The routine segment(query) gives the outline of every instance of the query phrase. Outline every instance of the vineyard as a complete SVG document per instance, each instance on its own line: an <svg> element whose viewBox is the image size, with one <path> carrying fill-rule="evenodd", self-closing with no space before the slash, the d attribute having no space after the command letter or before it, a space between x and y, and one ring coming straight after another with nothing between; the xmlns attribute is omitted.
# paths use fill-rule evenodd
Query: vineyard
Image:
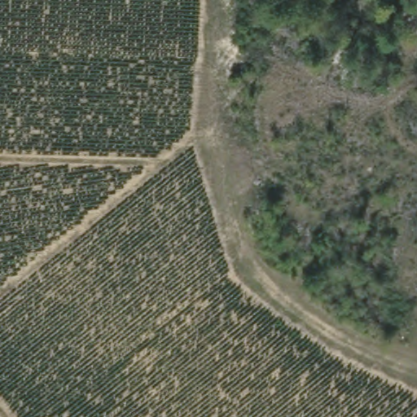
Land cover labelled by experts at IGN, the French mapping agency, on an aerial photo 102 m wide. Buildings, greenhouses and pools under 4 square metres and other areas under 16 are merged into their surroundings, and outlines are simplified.
<svg viewBox="0 0 417 417"><path fill-rule="evenodd" d="M65 155L77 155L80 151L88 151L90 155L117 153L129 156L156 156L163 150L169 150L174 142L178 142L182 135L186 134L191 121L194 78L192 65L197 59L199 0L0 0L0 150L21 153L34 150L44 155L62 151Z"/></svg>
<svg viewBox="0 0 417 417"><path fill-rule="evenodd" d="M266 308L252 305L251 298L248 298L246 305L241 303L241 288L228 279L228 267L213 223L212 208L208 204L204 184L200 179L199 166L195 163L194 150L191 147L179 151L168 165L158 169L150 179L143 182L142 186L127 195L116 207L111 208L98 222L94 222L85 233L75 236L72 243L64 246L62 251L55 252L41 267L34 269L29 279L21 280L5 295L0 296L0 417L417 417L417 399L402 389L397 391L396 386L384 383L380 378L355 370L352 365L344 365L337 358L319 349L319 345L306 337L301 337L296 329L285 326L282 319L272 316Z"/></svg>
<svg viewBox="0 0 417 417"><path fill-rule="evenodd" d="M116 194L117 189L121 189L132 176L142 173L143 166L134 166L129 171L119 171L112 166L80 166L70 169L64 165L0 166L0 285L28 264L28 252L42 251L47 244L65 235L72 226L80 225L86 213L98 208L109 195Z"/></svg>

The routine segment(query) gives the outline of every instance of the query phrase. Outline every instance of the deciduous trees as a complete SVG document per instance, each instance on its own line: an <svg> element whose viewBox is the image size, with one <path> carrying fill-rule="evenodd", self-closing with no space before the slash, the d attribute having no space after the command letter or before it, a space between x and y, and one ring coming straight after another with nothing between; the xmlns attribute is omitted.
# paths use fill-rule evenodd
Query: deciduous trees
<svg viewBox="0 0 417 417"><path fill-rule="evenodd" d="M396 290L396 280L389 277L386 264L376 266L371 261L365 261L363 254L371 249L368 244L345 239L345 231L342 230L339 231L339 239L334 238L332 233L327 233L329 226L336 225L340 220L362 220L370 199L384 195L389 189L396 187L393 182L386 179L375 189L350 195L345 199L349 208L324 213L321 223L311 233L311 244L308 248L301 248L300 241L305 239L305 235L300 235L300 231L296 230L296 218L292 213L288 213L290 204L283 199L285 189L267 181L262 186L252 187L244 207L244 220L251 222L256 239L254 248L257 254L261 254L262 261L280 274L303 279L303 288L309 296L323 303L327 313L336 316L337 323L347 321L355 326L360 323L375 324L383 331L384 339L391 339L409 323L412 311L417 306L417 300L415 296L407 295L404 290Z"/></svg>
<svg viewBox="0 0 417 417"><path fill-rule="evenodd" d="M272 46L279 46L283 54L293 57L296 62L305 62L308 65L314 67L321 60L332 57L334 64L339 64L342 60L345 67L352 60L358 65L363 65L363 70L381 67L381 73L373 81L373 86L388 88L389 86L391 78L401 75L402 47L399 39L402 34L417 29L417 0L235 0L235 36L231 37L231 42L238 47L239 52L236 64L231 67L230 78L236 78L241 77L243 73L254 73L264 77L269 72L270 64L266 55L272 55Z"/></svg>

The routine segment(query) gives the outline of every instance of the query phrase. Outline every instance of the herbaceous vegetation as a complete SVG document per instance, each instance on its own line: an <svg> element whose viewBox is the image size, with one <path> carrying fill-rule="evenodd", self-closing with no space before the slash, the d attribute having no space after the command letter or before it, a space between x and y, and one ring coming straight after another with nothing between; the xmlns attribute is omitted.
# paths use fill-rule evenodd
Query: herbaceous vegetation
<svg viewBox="0 0 417 417"><path fill-rule="evenodd" d="M394 344L391 339L384 339L383 331L375 324L360 323L355 326L347 321L337 323L336 316L327 313L323 303L309 296L303 288L303 279L280 274L262 261L261 254L257 254L254 248L256 239L251 222L244 220L244 207L252 187L262 186L267 181L274 173L283 173L287 168L298 166L298 161L285 160L277 148L295 151L300 145L298 138L288 142L279 138L274 140L270 124L274 122L277 127L285 127L292 124L296 117L303 117L305 122L309 117L309 111L336 103L360 109L360 119L363 121L367 121L373 112L381 111L386 125L384 129L397 138L397 142L404 150L409 153L417 151L417 145L406 138L402 130L396 129L394 124L394 104L404 99L406 91L399 90L397 85L389 86L388 88L388 93L376 96L355 94L345 90L344 86L337 88L334 80L339 73L327 70L323 75L316 77L306 70L308 65L305 62L296 62L293 57L283 54L279 46L272 46L272 55L266 55L270 64L269 72L264 77L264 91L256 94L254 109L254 125L259 143L249 150L228 142L230 135L223 132L223 122L220 122L218 114L220 109L230 106L236 94L243 90L243 85L236 78L230 78L231 67L236 64L239 52L238 47L231 42L231 37L235 36L235 0L199 0L197 59L192 65L194 78L191 121L186 134L182 135L178 142L174 142L169 150L163 150L156 156L129 156L117 153L90 155L88 151L80 151L77 155L65 155L62 151L44 155L34 150L21 153L0 150L0 166L64 165L70 169L80 166L112 166L119 171L129 171L134 166L143 166L142 173L132 176L121 189L117 189L116 194L109 195L98 208L86 213L80 225L72 226L65 235L47 244L42 251L28 252L28 264L0 285L0 296L5 295L21 280L29 279L34 269L41 267L55 252L62 251L64 246L72 243L75 236L85 233L94 222L98 222L111 208L116 207L127 195L142 186L143 182L150 179L158 169L168 165L179 151L191 147L194 150L195 163L199 166L200 179L204 184L208 204L212 208L213 223L228 267L228 279L241 288L241 303L246 305L248 298L251 298L252 305L266 308L272 316L282 319L285 326L296 329L301 337L306 337L319 345L319 349L337 358L344 365L352 365L355 370L380 378L384 383L396 386L397 391L402 389L417 399L417 349L412 349L409 344Z"/></svg>

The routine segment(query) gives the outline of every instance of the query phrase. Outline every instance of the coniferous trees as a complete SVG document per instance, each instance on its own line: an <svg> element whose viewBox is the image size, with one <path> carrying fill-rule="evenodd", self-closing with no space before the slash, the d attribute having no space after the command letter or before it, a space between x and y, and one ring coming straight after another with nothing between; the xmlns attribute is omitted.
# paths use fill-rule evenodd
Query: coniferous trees
<svg viewBox="0 0 417 417"><path fill-rule="evenodd" d="M394 104L394 124L396 129L402 130L406 138L417 145L417 29L402 34L399 39L402 47L401 75L391 78L389 86L397 85L399 90L406 91L404 99Z"/></svg>
<svg viewBox="0 0 417 417"><path fill-rule="evenodd" d="M316 77L323 75L327 70L339 73L334 80L337 88L344 86L345 90L355 94L376 96L388 93L388 88L373 86L373 81L381 73L381 67L363 70L363 65L358 65L352 60L345 67L342 60L339 64L334 64L332 57L321 60L314 67L308 65L306 70Z"/></svg>
<svg viewBox="0 0 417 417"><path fill-rule="evenodd" d="M409 153L404 150L397 142L397 138L384 129L386 125L381 111L373 112L367 121L363 121L360 119L360 109L336 103L309 111L309 117L305 122L303 117L296 117L292 124L285 127L277 127L274 122L270 124L274 140L279 138L288 142L298 138L300 145L295 151L277 148L285 160L298 161L298 166L287 168L283 173L274 173L267 181L285 189L283 199L290 204L288 213L292 213L296 218L296 230L300 231L300 235L305 235L305 239L300 241L301 248L308 248L311 244L311 233L321 223L324 213L349 208L345 199L350 195L375 189L386 179L393 182L396 187L389 189L384 195L370 199L362 220L340 220L336 225L329 226L327 233L332 233L334 238L339 239L339 231L342 230L345 231L345 239L368 244L371 249L363 254L365 261L371 261L376 266L386 264L389 277L396 280L396 290L404 290L407 295L415 296L417 300L417 151Z"/></svg>
<svg viewBox="0 0 417 417"><path fill-rule="evenodd" d="M230 135L228 142L249 150L259 143L254 125L254 109L256 94L264 91L264 77L254 73L243 73L241 77L236 78L243 85L243 90L236 94L230 106L220 109L218 114L220 122L223 122L223 132Z"/></svg>
<svg viewBox="0 0 417 417"><path fill-rule="evenodd" d="M417 306L412 311L409 323L391 339L394 344L409 344L412 349L417 349Z"/></svg>

